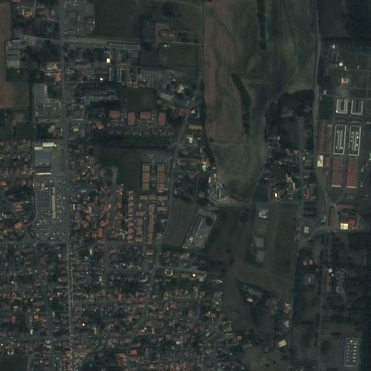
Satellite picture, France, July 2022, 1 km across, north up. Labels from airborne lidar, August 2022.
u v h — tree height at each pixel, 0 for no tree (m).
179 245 0
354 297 16
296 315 18
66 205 0
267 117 20
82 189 0
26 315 0
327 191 0
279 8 0
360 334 0
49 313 0
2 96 0
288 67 0
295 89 0
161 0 0
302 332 0
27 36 0
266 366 8
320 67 11
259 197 0
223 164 0
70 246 0
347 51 0
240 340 9
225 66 0
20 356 0
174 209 0
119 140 12
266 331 0
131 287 7
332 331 0
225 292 0
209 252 0
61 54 0
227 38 0
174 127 7
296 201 0
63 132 0
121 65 0
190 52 0
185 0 0
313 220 0
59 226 0
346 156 0
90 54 8
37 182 0
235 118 0
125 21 0
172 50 0
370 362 21
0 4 0
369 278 33
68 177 0
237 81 23
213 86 0
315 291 0
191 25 0
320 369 0
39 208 0
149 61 0
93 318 12
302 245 0
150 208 0
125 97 0
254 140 0
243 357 0
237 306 0
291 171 6
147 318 0
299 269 16
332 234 8
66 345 0
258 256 0
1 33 0
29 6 0
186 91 11
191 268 0
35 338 0
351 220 0
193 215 0
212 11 0
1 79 0
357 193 0
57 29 13
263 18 24
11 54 0
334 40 15
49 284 0
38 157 0
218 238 0
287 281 0
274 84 0
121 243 0
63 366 0
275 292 0
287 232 0
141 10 0
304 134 0
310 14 0
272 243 0
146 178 0
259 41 0
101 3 0
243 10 0
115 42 0
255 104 0
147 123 0
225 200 0
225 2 0
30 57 6
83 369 6
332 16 0
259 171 0
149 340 6
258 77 0
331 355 0
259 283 0
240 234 0
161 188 0
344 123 0
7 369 0
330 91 0
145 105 0
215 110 0
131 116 0
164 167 0
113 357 7
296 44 0
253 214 0
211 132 0
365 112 0
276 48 0
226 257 0
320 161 0
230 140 0
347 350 0
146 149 6
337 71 0
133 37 0
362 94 0
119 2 0
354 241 21
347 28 17
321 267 9
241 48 0
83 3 0
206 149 19
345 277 17
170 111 11
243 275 0
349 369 0
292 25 0
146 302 0
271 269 0
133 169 0
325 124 0
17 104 0
